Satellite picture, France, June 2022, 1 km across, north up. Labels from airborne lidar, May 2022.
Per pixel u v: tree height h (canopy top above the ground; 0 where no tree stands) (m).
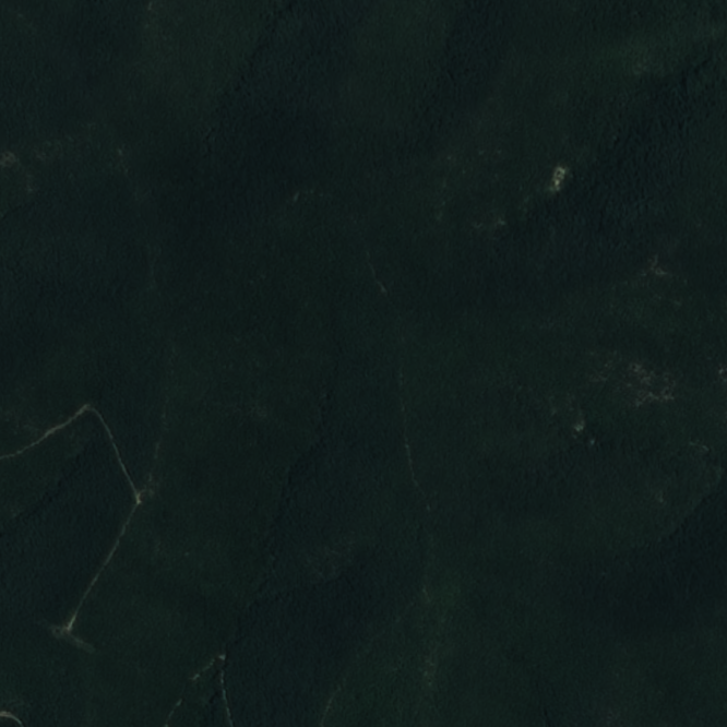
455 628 7
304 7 13
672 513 7
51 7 6
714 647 6
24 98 7
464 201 9
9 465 9
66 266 6
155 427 6
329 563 6
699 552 12
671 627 9
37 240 7
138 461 7
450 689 9
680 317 6
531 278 10
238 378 7
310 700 8
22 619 8
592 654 8
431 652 6
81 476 7
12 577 9
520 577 7
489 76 6
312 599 10
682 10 7
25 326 8
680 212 11
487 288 10
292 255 12
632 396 6
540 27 7
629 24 13
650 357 6
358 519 8
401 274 8
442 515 8
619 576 10
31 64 7
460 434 9
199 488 7
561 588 9
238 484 7
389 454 9
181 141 12
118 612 6
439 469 7
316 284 10
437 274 10
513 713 7
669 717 9
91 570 6
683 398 6
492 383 11
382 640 6
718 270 9
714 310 7
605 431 13
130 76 6
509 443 9
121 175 6
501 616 8
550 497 8
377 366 10
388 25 8
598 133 16
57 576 6
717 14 12
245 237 8
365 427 9
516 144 8
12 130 8
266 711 8
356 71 7
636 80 10
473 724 7
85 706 6
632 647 7
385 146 10
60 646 8
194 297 8
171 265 9
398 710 7
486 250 12
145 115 9
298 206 7
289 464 8
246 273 7
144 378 6
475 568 9
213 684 13
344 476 11
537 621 8
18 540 10
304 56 8
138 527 6
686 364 6
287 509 9
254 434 12
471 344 7
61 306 10
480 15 7
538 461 8
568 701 9
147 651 9
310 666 8
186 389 6
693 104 13
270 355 9
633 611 9
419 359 7
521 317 7
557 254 7
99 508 6
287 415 8
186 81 6
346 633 7
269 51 10
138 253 8
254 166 12
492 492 9
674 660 9
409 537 7
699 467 7
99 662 6
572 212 12
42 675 5
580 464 8
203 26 8
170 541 6
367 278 9
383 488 7
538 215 11
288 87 11
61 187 6
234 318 8
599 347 6
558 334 8
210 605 10
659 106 13
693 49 10
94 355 9
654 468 6
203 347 7
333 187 9
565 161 7
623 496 6
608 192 12
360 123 6
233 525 8
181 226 11
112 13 9
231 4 9
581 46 8
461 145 7
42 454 8
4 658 7
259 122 14
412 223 8
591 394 7
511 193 10
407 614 6
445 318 10
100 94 5
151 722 6
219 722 9
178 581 9
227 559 7
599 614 7
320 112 6
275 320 10
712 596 8
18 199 6
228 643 11
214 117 15
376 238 10
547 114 7
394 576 10
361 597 11
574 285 8
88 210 6
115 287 9
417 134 11
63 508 9
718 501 9
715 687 8
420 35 8
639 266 6
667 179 15
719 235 8
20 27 6
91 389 11
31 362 7
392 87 9
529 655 10
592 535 7
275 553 10
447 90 14
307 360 7
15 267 9
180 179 12
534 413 9
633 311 7
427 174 10
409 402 5
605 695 6
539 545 8
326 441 7
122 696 6
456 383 10
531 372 8
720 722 6
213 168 14
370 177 8
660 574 11
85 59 8
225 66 12
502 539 6
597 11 16
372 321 9
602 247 13
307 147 10
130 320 7
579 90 7
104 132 6
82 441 5
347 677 7
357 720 10
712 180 11
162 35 7
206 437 7
